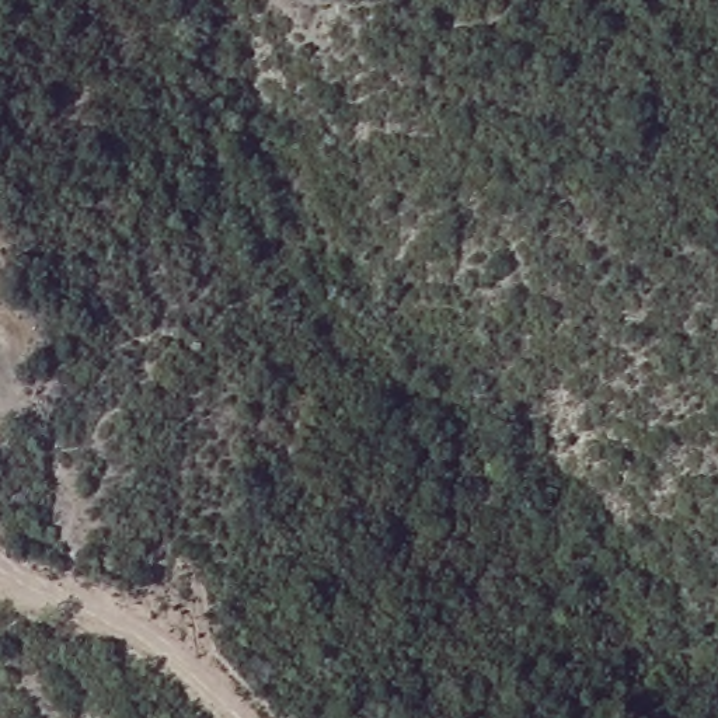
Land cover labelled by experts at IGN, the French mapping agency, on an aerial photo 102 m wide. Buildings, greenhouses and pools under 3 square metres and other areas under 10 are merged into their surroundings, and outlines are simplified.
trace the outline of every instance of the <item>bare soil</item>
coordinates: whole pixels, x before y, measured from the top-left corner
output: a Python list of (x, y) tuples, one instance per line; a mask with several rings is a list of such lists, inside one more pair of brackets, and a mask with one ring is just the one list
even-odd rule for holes
[(79, 471), (56, 466), (53, 471), (59, 485), (53, 513), (62, 524), (62, 539), (70, 547), (70, 558), (79, 558), (79, 553), (87, 547), (90, 533), (101, 527), (98, 519), (90, 516), (87, 499), (79, 494)]
[(17, 367), (36, 348), (42, 348), (42, 331), (36, 328), (31, 311), (11, 309), (0, 297), (0, 424), (8, 412), (28, 409), (25, 387), (17, 376)]
[(180, 625), (171, 625), (168, 637), (180, 642), (194, 642), (194, 659), (205, 659), (219, 673), (224, 673), (224, 679), (230, 679), (233, 693), (238, 696), (252, 682), (244, 679), (236, 670), (236, 665), (219, 651), (219, 625), (208, 623), (208, 606), (188, 603), (188, 614), (180, 614)]

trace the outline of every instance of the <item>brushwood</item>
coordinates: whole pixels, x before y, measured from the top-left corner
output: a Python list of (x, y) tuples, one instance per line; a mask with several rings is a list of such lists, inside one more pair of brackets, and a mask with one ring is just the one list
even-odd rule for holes
[(199, 701), (188, 698), (185, 684), (177, 676), (165, 673), (163, 656), (135, 659), (126, 651), (126, 642), (118, 637), (81, 634), (76, 628), (76, 614), (81, 611), (79, 600), (65, 600), (56, 609), (45, 609), (42, 614), (22, 614), (14, 609), (11, 600), (0, 600), (0, 718), (213, 718), (205, 712)]
[[(42, 331), (42, 348), (36, 348), (17, 367), (17, 376), (25, 387), (28, 409), (8, 412), (0, 424), (0, 547), (11, 558), (28, 561), (48, 581), (59, 581), (67, 572), (76, 578), (93, 578), (98, 586), (115, 586), (115, 595), (149, 595), (151, 600), (157, 600), (157, 609), (151, 609), (151, 620), (160, 620), (165, 611), (180, 614), (188, 614), (188, 603), (208, 606), (208, 623), (219, 625), (219, 651), (236, 665), (236, 670), (244, 679), (252, 682), (238, 696), (255, 712), (252, 718), (718, 718), (718, 0), (0, 0), (0, 297), (11, 309), (31, 311), (36, 328)], [(87, 547), (79, 553), (79, 558), (70, 558), (70, 547), (62, 539), (62, 524), (53, 513), (59, 485), (53, 471), (56, 466), (79, 471), (79, 494), (87, 499), (90, 516), (98, 519), (101, 527), (90, 533)]]

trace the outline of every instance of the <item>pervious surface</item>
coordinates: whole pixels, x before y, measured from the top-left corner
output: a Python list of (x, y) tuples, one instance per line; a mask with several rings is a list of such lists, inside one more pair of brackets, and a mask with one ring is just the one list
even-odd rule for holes
[(224, 673), (219, 673), (205, 659), (194, 659), (194, 642), (180, 642), (168, 637), (171, 625), (180, 625), (180, 614), (165, 611), (160, 620), (151, 620), (151, 609), (157, 609), (157, 600), (151, 600), (149, 595), (115, 595), (115, 586), (98, 586), (93, 578), (76, 578), (67, 572), (59, 581), (48, 581), (28, 561), (11, 558), (0, 547), (0, 600), (11, 600), (14, 609), (22, 614), (42, 614), (45, 609), (56, 609), (65, 600), (79, 600), (81, 611), (76, 614), (76, 628), (81, 634), (118, 637), (126, 642), (126, 651), (135, 659), (163, 656), (165, 673), (177, 676), (185, 684), (188, 698), (199, 701), (205, 712), (213, 718), (252, 718), (255, 712), (238, 696), (233, 693), (230, 679), (224, 679)]

